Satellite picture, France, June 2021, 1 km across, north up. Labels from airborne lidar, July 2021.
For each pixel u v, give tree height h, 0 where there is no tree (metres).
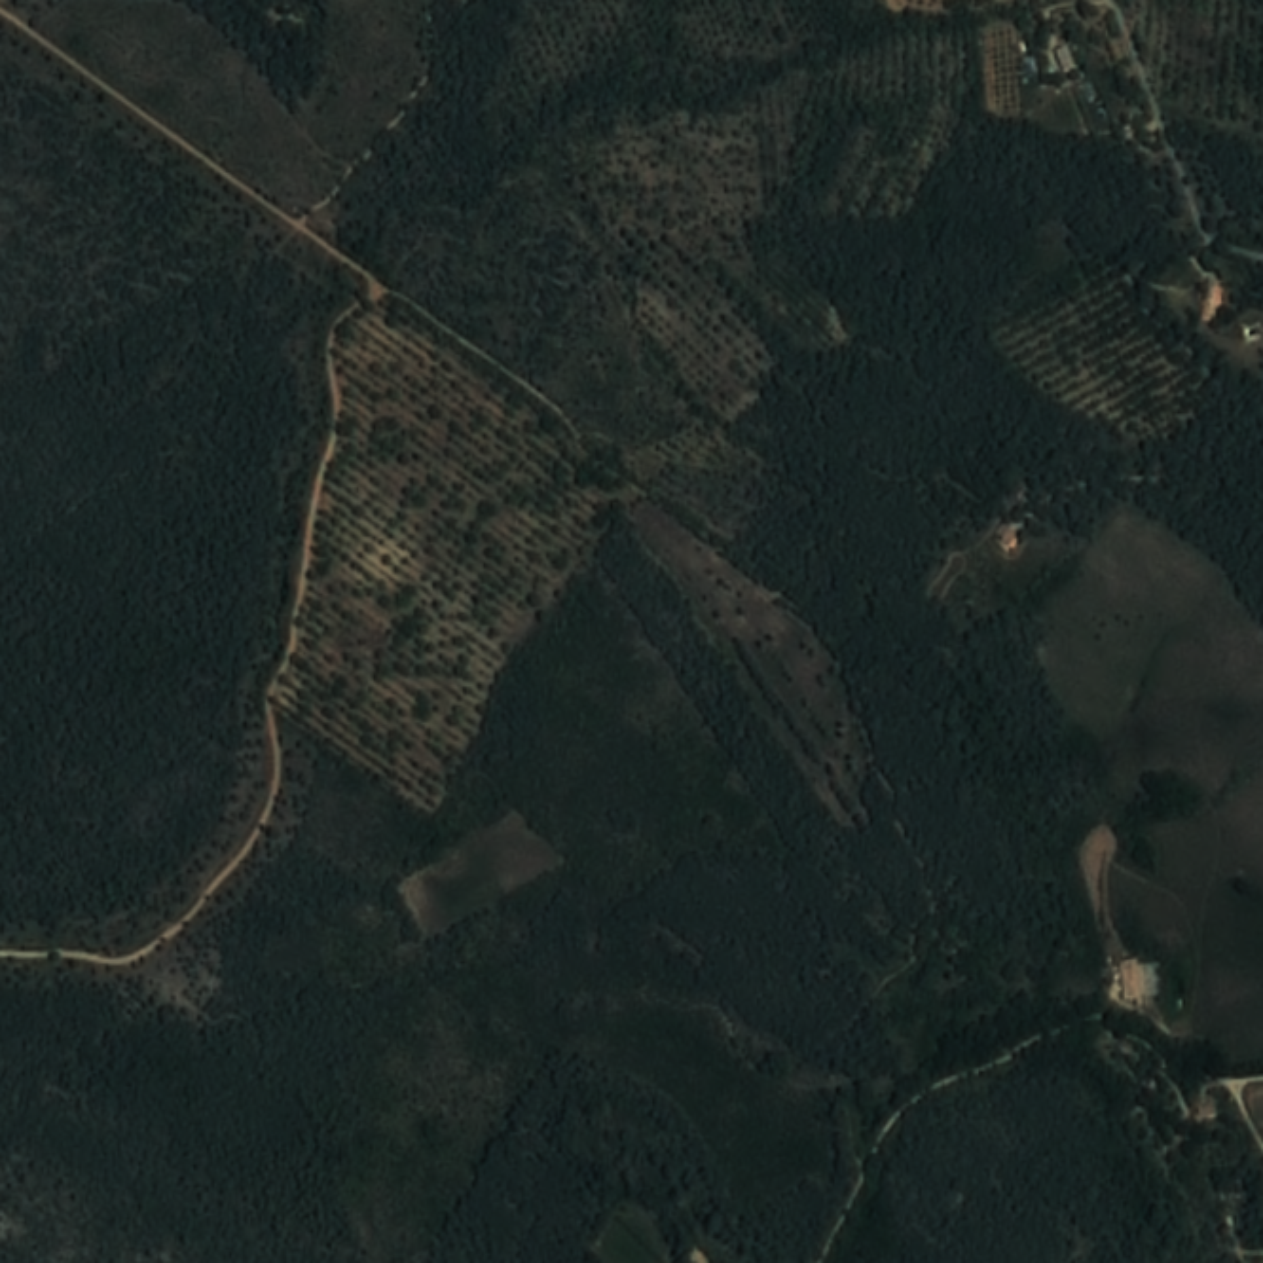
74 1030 9
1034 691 12
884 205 8
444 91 9
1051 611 0
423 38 7
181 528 10
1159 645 0
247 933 8
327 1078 10
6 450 6
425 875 0
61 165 6
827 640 12
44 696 9
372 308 7
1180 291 0
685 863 9
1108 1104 7
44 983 6
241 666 11
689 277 6
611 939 9
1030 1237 6
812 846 11
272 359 8
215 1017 7
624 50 8
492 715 8
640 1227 0
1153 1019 9
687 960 10
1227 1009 0
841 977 13
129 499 8
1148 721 0
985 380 8
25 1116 8
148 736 8
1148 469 12
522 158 14
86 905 10
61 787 10
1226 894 0
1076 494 9
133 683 7
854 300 11
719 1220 16
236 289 9
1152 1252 7
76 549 8
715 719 14
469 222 7
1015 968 8
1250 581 10
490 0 11
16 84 7
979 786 13
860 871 11
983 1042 14
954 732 19
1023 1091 8
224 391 8
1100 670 0
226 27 11
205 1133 12
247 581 11
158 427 6
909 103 7
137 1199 6
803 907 12
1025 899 8
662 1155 7
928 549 9
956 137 7
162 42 0
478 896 0
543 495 11
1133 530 0
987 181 13
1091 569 0
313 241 0
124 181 7
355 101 0
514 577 6
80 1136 7
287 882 7
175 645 8
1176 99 5
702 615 0
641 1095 10
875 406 11
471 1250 11
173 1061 7
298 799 6
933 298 17
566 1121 18
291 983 8
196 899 0
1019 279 11
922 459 11
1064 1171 10
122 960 0
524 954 9
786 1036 12
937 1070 11
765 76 10
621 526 10
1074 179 14
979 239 10
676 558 0
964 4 5
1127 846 9
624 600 8
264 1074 11
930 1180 7
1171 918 0
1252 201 14
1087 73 7
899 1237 7
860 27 8
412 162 10
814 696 0
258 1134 8
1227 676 0
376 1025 7
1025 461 18
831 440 13
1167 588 0
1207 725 0
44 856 9
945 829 9
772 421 9
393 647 6
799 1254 15
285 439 9
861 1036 12
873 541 7
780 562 12
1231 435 13
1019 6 9
